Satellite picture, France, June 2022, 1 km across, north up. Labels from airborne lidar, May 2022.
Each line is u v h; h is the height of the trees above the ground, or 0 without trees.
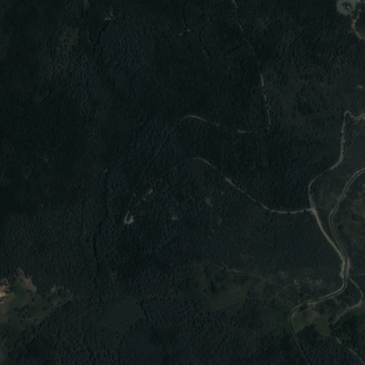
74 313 19
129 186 13
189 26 26
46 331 15
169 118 15
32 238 19
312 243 7
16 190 12
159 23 21
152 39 22
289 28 8
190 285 14
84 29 18
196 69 15
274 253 0
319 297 0
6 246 14
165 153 20
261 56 21
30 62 17
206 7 23
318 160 0
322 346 17
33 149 13
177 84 12
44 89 15
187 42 17
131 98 17
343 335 0
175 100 12
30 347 21
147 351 14
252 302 12
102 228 28
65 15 16
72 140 10
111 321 0
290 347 15
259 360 13
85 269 18
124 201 11
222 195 10
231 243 11
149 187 11
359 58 8
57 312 14
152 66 12
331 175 11
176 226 13
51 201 15
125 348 11
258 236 0
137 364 15
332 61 8
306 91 8
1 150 24
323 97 7
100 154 16
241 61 14
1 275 14
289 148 15
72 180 17
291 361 14
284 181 11
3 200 20
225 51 18
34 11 16
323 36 7
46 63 17
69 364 18
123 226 11
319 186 9
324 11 14
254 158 8
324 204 0
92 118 13
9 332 8
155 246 15
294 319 0
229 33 9
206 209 9
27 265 18
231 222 18
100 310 13
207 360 9
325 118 6
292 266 6
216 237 10
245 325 13
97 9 23
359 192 0
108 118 17
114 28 27
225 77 10
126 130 19
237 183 16
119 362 17
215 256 14
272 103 8
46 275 11
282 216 8
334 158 6
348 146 9
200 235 11
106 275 7
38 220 15
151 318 11
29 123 14
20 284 0
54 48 12
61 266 20
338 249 7
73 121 16
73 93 18
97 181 27
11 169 13
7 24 16
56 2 15
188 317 18
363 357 16
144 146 19
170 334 8
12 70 16
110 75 29
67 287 13
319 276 0
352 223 0
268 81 6
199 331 8
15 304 0
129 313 0
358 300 12
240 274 0
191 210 11
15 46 17
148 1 21
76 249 13
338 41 8
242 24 16
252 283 0
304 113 8
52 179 15
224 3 24
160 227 12
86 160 17
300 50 9
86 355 16
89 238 22
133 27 19
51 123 15
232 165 13
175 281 16
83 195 14
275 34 15
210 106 9
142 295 15
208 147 12
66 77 18
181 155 18
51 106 14
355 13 7
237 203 12
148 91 12
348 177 0
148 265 14
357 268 0
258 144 9
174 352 13
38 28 16
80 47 19
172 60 11
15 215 19
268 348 7
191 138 11
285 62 9
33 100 12
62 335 17
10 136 18
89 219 20
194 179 12
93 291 21
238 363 13
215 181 10
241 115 9
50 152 12
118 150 13
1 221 15
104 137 17
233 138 15
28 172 9
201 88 11
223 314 13
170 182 13
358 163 0
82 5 19
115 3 22
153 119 15
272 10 8
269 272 0
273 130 11
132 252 12
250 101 10
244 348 14
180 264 12
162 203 8
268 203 12
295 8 9
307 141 9
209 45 23
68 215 20
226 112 8
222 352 13
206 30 29
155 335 11
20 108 18
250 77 13
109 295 12
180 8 19
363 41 10
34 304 0
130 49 14
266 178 19
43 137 12
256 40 9
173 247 15
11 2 20
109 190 24
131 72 14
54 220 13
